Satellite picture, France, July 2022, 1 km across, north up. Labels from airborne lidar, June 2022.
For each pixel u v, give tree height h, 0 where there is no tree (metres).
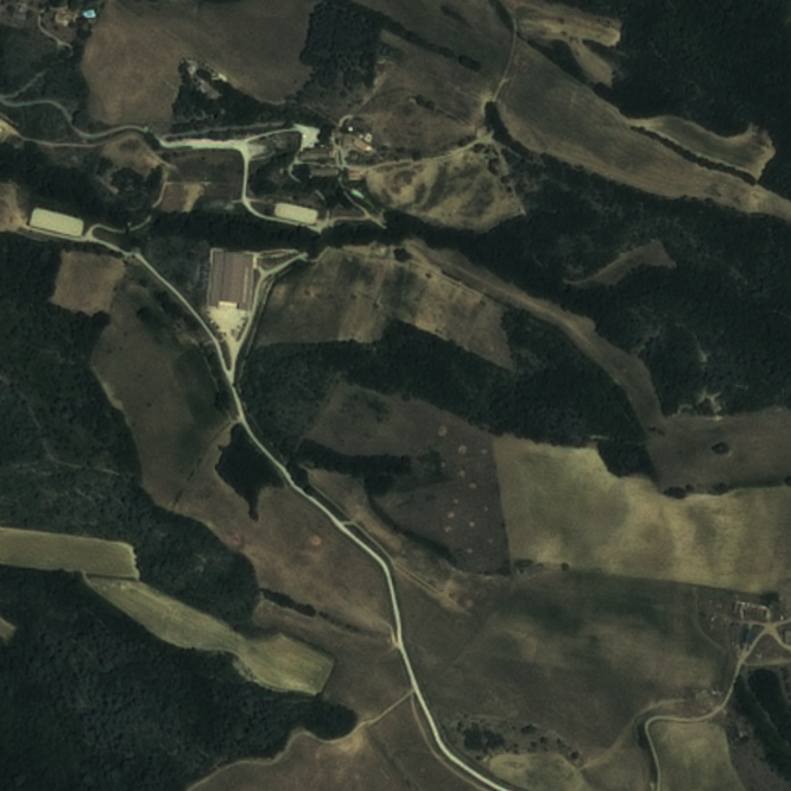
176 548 11
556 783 0
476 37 0
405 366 8
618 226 7
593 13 6
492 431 6
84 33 7
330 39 14
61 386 7
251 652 0
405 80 0
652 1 8
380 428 0
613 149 0
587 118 0
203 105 9
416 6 0
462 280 0
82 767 11
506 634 0
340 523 0
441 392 7
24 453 7
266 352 6
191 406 0
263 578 0
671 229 7
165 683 10
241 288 0
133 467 0
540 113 0
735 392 12
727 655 0
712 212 8
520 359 6
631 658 0
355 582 0
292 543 0
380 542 0
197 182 0
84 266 0
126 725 14
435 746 0
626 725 0
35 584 6
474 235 12
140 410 0
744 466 0
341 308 0
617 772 0
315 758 0
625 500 0
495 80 0
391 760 0
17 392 9
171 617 0
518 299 0
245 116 8
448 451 0
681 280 14
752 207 0
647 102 11
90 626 7
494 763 0
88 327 9
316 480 0
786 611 0
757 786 0
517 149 9
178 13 0
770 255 6
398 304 0
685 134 0
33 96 6
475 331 0
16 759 8
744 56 11
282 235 13
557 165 6
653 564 0
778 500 0
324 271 0
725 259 6
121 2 0
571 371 8
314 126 6
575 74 7
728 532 0
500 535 0
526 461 0
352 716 9
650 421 0
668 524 0
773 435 0
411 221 11
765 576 0
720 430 0
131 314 0
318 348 8
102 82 0
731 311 9
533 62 0
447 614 0
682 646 0
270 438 8
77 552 0
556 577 0
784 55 9
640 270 11
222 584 7
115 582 0
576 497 0
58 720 10
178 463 0
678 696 0
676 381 9
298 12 0
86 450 0
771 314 8
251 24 0
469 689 0
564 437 7
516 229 13
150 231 7
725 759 0
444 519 0
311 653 0
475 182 0
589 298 19
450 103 0
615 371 0
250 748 11
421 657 0
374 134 0
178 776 11
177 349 0
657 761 0
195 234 15
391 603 0
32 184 11
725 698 0
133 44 0
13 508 8
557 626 0
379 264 0
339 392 0
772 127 8
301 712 8
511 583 0
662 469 0
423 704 0
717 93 8
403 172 0
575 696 0
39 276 11
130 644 15
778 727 8
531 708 0
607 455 10
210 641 0
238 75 0
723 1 13
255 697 12
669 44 9
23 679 9
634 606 0
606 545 0
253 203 0
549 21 0
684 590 0
